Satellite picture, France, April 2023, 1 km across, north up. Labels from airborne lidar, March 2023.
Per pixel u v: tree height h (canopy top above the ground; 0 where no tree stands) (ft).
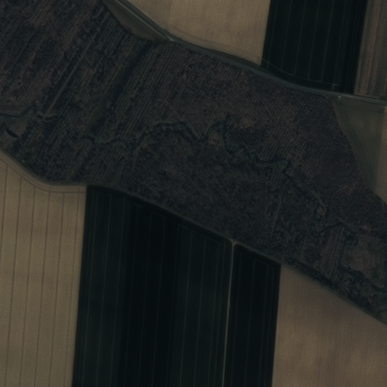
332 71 0
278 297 0
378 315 0
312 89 0
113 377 0
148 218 0
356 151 0
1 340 0
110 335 0
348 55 0
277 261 0
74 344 0
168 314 0
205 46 0
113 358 0
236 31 0
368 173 0
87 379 0
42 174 33
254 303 0
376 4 0
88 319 0
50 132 19
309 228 21
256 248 62
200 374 0
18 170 0
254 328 0
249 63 0
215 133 0
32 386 0
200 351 0
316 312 0
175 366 0
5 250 0
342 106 0
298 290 0
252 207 71
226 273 0
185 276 0
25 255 0
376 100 0
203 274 0
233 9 0
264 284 0
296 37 0
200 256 0
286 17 0
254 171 82
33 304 0
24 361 0
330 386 0
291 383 0
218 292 0
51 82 0
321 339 0
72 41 0
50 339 0
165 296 0
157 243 0
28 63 0
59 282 0
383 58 0
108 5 0
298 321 0
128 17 0
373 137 0
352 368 0
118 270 0
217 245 0
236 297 0
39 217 0
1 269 0
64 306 0
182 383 0
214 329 0
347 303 0
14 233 0
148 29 0
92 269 0
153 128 79
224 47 0
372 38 0
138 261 0
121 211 0
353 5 0
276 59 0
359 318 0
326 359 0
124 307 0
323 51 0
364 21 0
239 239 53
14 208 0
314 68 0
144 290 0
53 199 0
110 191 0
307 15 0
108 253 0
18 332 0
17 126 0
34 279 0
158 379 0
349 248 0
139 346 0
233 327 0
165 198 69
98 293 0
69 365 0
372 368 0
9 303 0
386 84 0
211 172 78
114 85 0
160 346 0
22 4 0
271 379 0
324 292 0
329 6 0
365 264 0
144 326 0
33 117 0
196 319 0
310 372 0
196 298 0
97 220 0
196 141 80
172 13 0
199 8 0
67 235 0
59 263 0
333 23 0
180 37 0
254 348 0
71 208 0
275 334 0
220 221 71
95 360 0
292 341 0
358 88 0
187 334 0
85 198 0
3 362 0
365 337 0
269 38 0
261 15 0
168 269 0
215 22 0
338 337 0
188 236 0
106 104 0
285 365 0
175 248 0
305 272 60
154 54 68
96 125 0
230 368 0
